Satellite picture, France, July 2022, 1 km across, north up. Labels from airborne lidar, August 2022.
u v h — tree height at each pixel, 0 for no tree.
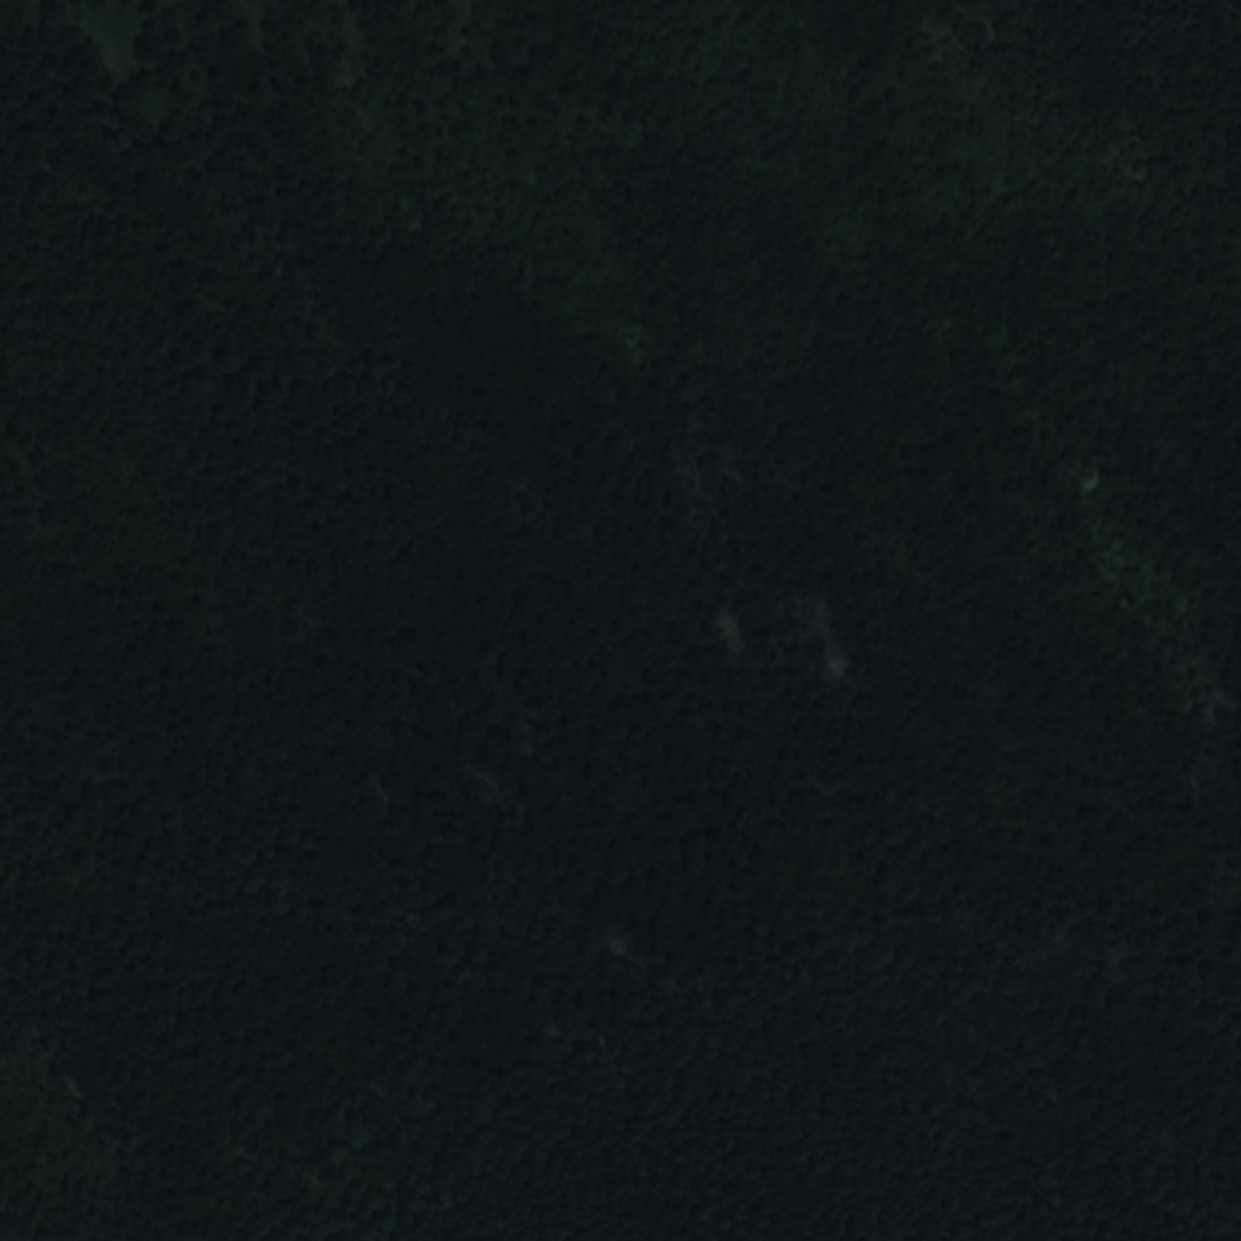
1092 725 9
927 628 19
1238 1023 27
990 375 21
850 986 32
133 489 10
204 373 31
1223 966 11
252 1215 19
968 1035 28
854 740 24
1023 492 18
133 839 31
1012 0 17
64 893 26
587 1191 33
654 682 31
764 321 8
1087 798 9
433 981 25
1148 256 15
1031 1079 9
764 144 14
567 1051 11
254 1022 25
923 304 13
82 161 26
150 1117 23
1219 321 19
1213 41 20
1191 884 9
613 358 18
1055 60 28
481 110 16
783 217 19
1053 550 22
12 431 20
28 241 9
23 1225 24
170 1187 15
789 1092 11
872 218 16
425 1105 7
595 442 27
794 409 13
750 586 14
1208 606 10
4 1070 8
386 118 17
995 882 13
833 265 7
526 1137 18
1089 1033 26
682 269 22
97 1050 21
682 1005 17
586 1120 26
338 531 33
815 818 11
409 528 37
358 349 27
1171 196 12
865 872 8
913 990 32
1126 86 14
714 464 23
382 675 32
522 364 35
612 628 29
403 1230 30
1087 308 18
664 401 17
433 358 37
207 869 31
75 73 18
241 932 26
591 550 36
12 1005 26
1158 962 28
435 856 31
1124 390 11
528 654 31
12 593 27
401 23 17
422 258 29
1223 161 28
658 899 27
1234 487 21
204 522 10
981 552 10
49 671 21
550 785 19
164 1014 19
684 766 21
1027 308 12
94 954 28
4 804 8
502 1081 25
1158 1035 28
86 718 15
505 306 27
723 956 19
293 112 20
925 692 20
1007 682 13
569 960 24
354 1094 20
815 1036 31
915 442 10
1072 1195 23
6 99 27
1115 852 9
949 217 10
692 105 17
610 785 32
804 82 7
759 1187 25
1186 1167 20
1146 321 17
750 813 24
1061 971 25
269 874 28
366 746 37
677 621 29
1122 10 22
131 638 17
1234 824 19
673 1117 26
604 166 17
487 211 19
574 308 9
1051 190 10
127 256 14
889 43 18
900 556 15
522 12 10
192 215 30
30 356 8
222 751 23
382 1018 30
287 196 24
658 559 26
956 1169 23
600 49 22
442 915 30
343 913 36
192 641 25
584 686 31
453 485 37
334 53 11
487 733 26
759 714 29
